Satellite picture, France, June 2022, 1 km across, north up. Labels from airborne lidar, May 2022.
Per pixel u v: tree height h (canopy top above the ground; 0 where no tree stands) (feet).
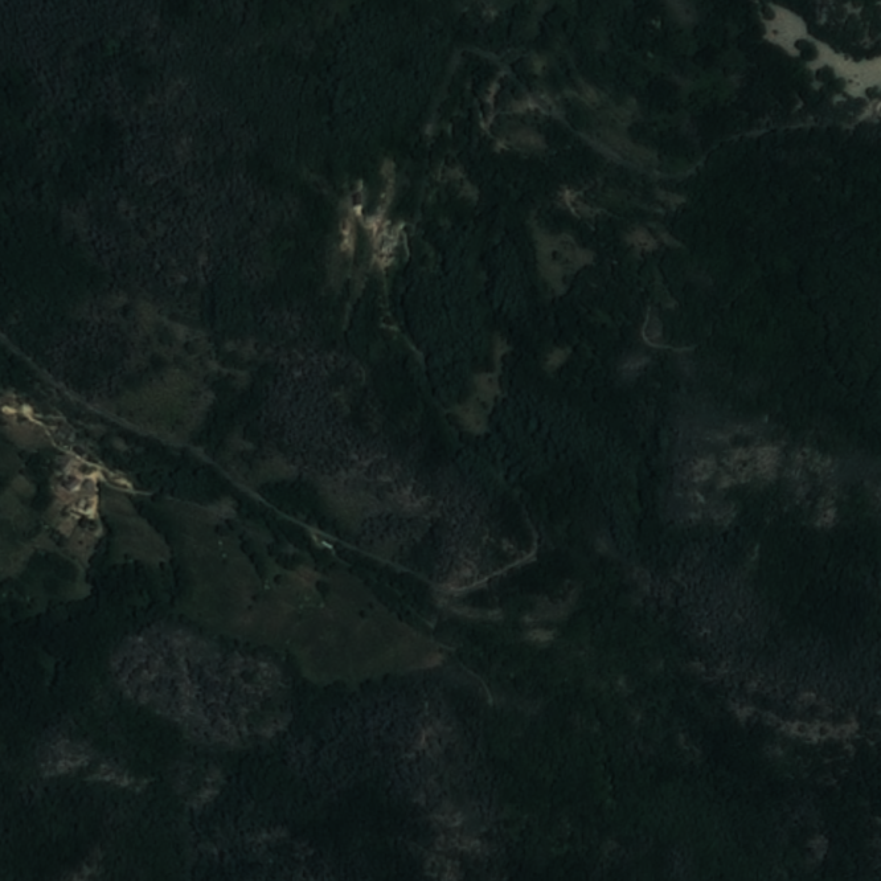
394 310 29
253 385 32
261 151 56
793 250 63
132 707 40
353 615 0
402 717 37
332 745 38
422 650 0
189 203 53
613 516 81
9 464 0
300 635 0
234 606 0
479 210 35
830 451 33
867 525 46
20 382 31
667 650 20
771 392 32
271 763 61
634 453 88
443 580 30
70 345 40
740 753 75
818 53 22
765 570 54
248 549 63
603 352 46
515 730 22
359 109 62
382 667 0
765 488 25
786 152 64
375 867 52
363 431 26
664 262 37
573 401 87
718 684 32
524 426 33
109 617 69
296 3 37
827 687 45
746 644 51
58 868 23
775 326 26
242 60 51
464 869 36
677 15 0
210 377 23
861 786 62
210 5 52
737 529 71
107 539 25
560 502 32
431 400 21
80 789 47
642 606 23
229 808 43
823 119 33
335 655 0
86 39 43
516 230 79
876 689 46
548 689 42
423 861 21
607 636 42
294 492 54
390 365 28
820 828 34
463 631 22
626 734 45
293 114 68
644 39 19
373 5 52
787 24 0
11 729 50
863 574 77
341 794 31
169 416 0
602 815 45
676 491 30
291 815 44
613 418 68
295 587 0
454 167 29
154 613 46
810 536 52
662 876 46
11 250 48
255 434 33
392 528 43
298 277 42
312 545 31
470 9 22
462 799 31
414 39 69
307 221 18
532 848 43
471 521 39
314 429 41
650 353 24
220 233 54
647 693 67
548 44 46
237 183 61
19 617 62
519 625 20
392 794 35
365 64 81
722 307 48
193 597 0
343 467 22
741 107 33
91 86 36
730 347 40
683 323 27
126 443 26
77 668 58
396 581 28
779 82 56
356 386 24
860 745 23
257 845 23
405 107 76
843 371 68
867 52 28
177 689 45
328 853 39
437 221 27
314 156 71
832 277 50
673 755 47
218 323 72
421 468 40
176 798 37
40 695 89
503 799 49
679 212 25
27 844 44
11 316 34
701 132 35
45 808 47
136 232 33
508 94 53
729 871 53
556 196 18
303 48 19
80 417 29
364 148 58
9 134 46
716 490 30
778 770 27
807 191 57
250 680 21
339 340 24
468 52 28
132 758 50
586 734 25
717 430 0
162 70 30
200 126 46
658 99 34
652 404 26
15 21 69
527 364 78
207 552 0
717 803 74
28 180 35
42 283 40
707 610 36
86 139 52
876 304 31
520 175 30
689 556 36
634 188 23
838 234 56
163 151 40
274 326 48
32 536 20
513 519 50
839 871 50
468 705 37
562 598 24
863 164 45
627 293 25
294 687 28
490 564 34
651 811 37
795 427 20
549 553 41
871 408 59
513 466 74
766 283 47
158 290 34
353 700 24
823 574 62
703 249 43
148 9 48
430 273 25
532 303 88
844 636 56
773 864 67
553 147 25
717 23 30
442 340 80
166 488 52
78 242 52
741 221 45
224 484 46
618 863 23
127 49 41
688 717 26
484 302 62
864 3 29
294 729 49
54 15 68
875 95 20
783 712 22
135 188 24
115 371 46
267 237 38
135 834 36
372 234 0
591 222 20
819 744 24
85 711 49
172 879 52
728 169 54
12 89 49
